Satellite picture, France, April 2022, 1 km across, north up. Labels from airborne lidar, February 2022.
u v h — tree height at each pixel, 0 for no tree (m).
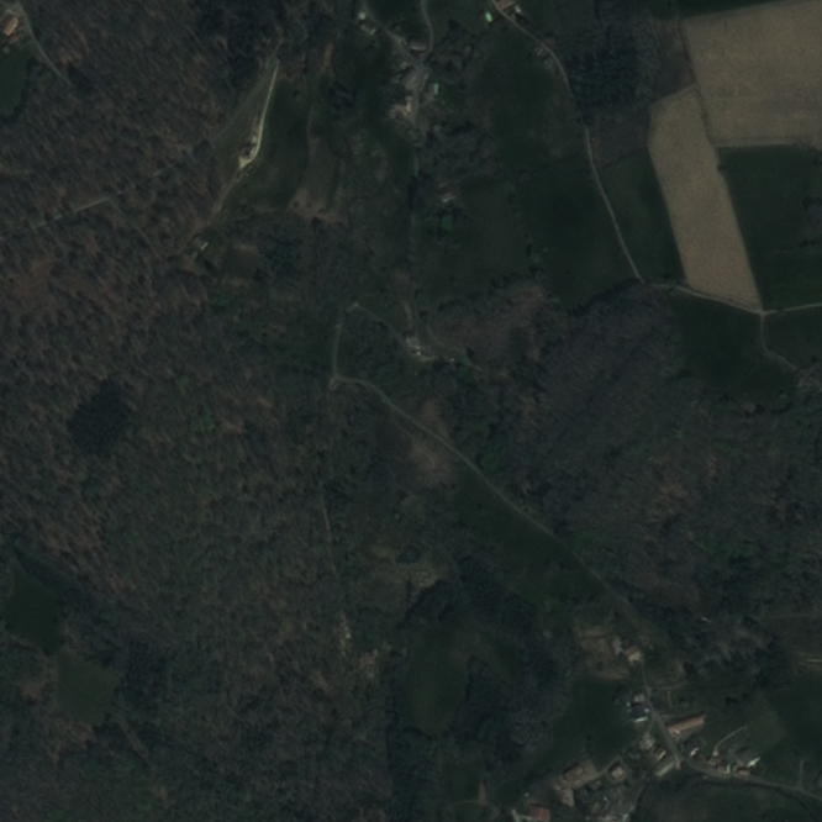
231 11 20
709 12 0
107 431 25
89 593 25
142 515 24
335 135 0
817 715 0
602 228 0
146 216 0
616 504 30
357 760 26
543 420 18
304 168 0
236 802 17
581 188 0
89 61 28
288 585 29
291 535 30
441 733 0
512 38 0
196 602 22
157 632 25
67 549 29
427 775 22
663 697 0
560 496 33
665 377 27
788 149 0
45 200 24
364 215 0
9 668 20
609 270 0
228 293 7
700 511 31
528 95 0
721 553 20
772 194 0
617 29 21
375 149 0
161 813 29
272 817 13
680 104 0
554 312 16
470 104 16
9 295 0
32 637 0
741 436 29
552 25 0
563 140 0
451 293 0
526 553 0
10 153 29
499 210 0
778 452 35
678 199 0
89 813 32
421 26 0
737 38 0
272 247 25
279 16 27
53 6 28
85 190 28
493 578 21
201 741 30
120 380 23
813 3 0
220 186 24
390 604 0
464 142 19
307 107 0
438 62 7
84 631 25
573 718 0
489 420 15
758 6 0
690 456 33
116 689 0
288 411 35
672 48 0
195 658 29
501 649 0
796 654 0
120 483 22
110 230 23
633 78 30
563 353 31
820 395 6
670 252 0
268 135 0
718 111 0
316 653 32
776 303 0
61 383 24
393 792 26
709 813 0
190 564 20
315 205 0
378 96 0
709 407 24
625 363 32
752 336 0
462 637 0
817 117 0
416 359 0
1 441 25
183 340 27
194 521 28
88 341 15
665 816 0
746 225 0
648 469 29
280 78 0
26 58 0
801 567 26
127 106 28
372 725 23
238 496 26
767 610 30
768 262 0
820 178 0
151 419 24
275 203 0
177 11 25
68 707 0
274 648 28
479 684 22
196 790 26
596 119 27
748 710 0
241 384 33
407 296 0
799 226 0
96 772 27
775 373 0
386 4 0
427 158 21
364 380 0
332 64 0
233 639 31
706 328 0
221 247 0
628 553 30
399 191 0
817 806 0
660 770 0
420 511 0
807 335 0
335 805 28
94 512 26
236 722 32
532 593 0
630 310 29
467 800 0
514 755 21
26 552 25
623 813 0
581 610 22
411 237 17
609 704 0
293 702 22
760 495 32
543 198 0
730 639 29
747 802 0
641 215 0
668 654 0
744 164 0
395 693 19
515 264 0
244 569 28
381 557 0
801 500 17
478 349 0
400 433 0
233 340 34
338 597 28
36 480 23
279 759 26
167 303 31
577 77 25
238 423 28
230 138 0
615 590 19
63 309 27
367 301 0
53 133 27
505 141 0
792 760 0
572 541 26
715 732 0
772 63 0
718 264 0
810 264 0
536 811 0
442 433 0
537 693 22
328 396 31
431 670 0
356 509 19
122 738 22
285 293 23
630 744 0
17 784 32
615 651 0
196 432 26
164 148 26
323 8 15
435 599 20
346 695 0
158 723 24
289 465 25
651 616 31
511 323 0
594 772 0
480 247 0
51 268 0
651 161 0
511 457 26
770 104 0
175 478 26
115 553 25
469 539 17
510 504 0
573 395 34
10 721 19
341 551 20
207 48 26
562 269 0
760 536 30
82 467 25
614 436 28
